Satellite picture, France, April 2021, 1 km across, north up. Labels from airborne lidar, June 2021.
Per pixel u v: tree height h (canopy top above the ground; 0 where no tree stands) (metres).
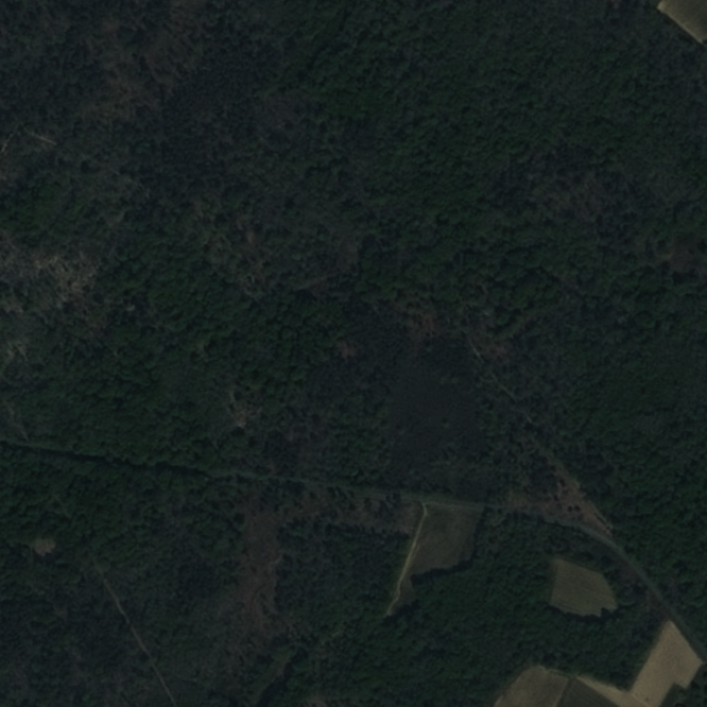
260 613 0
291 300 14
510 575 24
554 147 10
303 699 23
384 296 19
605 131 23
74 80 22
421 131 20
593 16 19
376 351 21
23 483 18
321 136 14
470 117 20
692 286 21
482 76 19
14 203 13
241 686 22
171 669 17
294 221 16
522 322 16
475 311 13
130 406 22
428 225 21
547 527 19
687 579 19
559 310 12
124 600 14
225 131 12
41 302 16
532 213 18
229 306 24
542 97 19
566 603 0
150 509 20
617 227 21
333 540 18
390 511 22
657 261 23
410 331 24
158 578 20
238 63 28
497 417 21
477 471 10
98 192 14
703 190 25
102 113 10
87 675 18
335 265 12
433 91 15
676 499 20
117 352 25
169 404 17
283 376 13
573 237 18
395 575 20
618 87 21
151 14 15
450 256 21
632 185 10
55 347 21
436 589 22
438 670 20
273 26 14
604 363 20
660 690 0
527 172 13
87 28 27
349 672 21
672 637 0
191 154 22
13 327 19
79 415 18
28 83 19
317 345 22
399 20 14
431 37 10
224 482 9
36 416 20
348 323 14
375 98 17
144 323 20
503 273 12
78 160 17
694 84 17
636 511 19
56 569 26
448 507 0
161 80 14
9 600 18
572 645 16
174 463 14
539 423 12
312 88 19
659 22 12
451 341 10
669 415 18
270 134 17
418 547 0
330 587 18
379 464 9
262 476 19
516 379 16
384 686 17
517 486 18
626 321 11
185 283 22
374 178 14
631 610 17
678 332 25
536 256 23
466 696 12
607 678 15
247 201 11
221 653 19
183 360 18
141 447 23
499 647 17
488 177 16
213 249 15
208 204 21
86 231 13
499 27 20
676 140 24
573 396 18
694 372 16
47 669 25
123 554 24
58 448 9
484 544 16
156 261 19
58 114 16
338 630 23
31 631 17
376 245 21
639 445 22
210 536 14
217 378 16
